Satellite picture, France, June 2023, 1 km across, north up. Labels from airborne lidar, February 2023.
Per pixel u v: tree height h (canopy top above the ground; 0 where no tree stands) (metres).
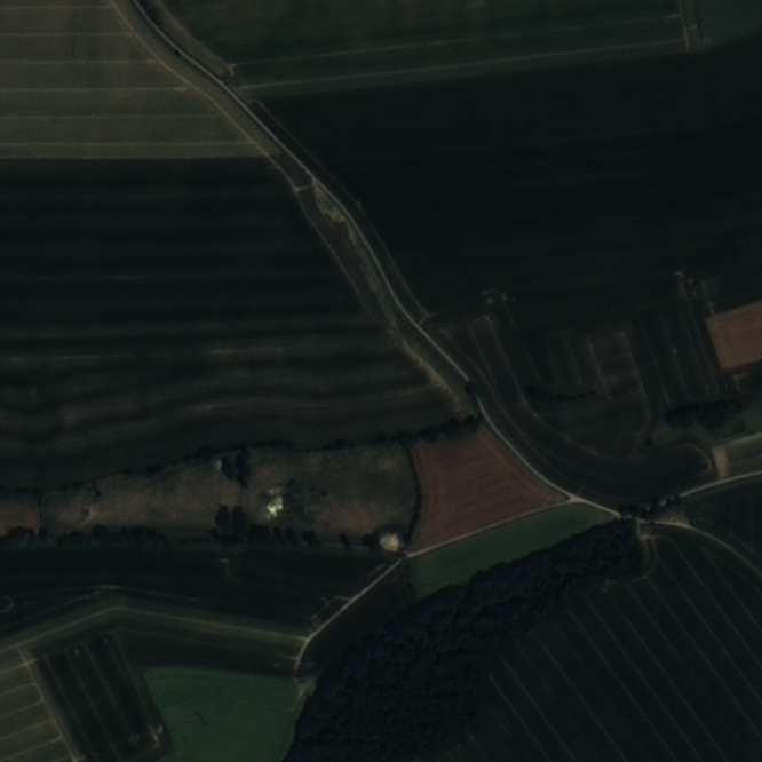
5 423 0
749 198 0
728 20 0
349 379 0
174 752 0
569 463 0
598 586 0
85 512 0
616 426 0
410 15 0
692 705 0
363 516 0
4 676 0
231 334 0
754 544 0
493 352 0
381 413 0
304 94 0
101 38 0
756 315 0
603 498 0
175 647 0
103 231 0
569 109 0
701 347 0
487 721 0
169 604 0
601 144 0
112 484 0
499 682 0
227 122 0
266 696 0
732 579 0
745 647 0
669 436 0
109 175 0
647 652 0
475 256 0
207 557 0
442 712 26
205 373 0
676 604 0
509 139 0
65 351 0
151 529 0
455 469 0
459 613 28
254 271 0
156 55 0
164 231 0
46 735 0
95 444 0
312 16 0
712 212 0
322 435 0
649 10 0
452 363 0
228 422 0
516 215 0
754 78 0
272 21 0
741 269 0
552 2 0
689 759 0
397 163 0
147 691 0
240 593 0
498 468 0
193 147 0
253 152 0
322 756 29
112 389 0
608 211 0
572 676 0
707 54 0
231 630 0
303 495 0
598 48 0
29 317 0
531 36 0
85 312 0
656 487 0
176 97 0
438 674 26
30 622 0
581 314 0
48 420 0
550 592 21
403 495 0
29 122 0
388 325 0
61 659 0
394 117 0
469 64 0
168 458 0
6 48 0
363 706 24
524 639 0
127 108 0
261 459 0
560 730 0
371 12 0
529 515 0
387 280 0
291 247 0
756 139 0
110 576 0
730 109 0
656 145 0
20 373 0
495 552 0
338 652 0
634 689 0
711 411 19
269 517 0
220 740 0
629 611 0
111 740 0
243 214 0
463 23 0
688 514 0
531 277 0
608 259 0
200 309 0
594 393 7
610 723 0
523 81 0
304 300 0
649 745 0
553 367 0
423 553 0
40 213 0
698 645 0
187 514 0
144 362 0
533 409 0
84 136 0
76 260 0
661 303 0
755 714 0
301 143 0
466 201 0
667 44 0
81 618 0
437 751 0
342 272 0
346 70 0
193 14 0
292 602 0
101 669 0
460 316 0
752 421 0
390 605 0
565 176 0
